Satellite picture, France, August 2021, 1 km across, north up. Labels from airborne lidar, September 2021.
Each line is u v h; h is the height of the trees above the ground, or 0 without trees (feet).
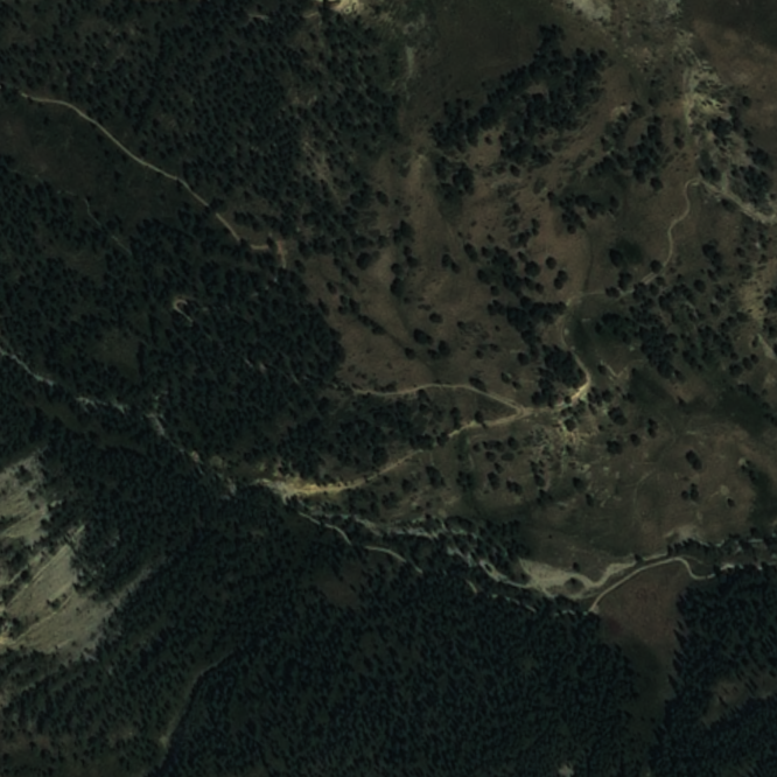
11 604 0
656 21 0
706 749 59
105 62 53
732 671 74
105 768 0
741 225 0
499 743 23
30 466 0
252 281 50
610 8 0
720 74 0
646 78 0
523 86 67
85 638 0
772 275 0
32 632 0
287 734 49
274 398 67
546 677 36
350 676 77
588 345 0
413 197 0
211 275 73
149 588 46
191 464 52
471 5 0
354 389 18
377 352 0
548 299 0
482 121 25
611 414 36
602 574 0
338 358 67
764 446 0
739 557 0
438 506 0
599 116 0
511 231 0
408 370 0
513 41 0
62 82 0
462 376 0
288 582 21
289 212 65
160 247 75
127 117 30
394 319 0
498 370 0
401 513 0
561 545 0
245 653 32
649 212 0
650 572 0
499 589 57
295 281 62
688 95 0
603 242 0
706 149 0
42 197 66
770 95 0
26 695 28
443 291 0
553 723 27
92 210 0
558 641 30
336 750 38
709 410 0
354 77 43
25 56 69
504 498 0
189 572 54
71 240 80
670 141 0
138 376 0
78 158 0
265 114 45
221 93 46
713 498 0
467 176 43
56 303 80
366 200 43
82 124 0
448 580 51
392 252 0
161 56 24
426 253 0
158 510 69
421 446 63
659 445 0
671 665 0
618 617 0
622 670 31
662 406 0
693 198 0
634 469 0
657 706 0
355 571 0
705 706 76
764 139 0
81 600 0
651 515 0
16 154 0
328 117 43
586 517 0
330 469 0
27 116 0
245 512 46
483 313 0
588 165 0
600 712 54
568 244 0
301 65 54
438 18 0
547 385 47
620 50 0
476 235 0
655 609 0
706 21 0
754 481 41
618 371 0
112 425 78
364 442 55
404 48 0
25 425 76
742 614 73
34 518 0
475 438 0
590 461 0
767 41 0
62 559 0
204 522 36
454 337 0
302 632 64
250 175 63
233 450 40
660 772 31
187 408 61
